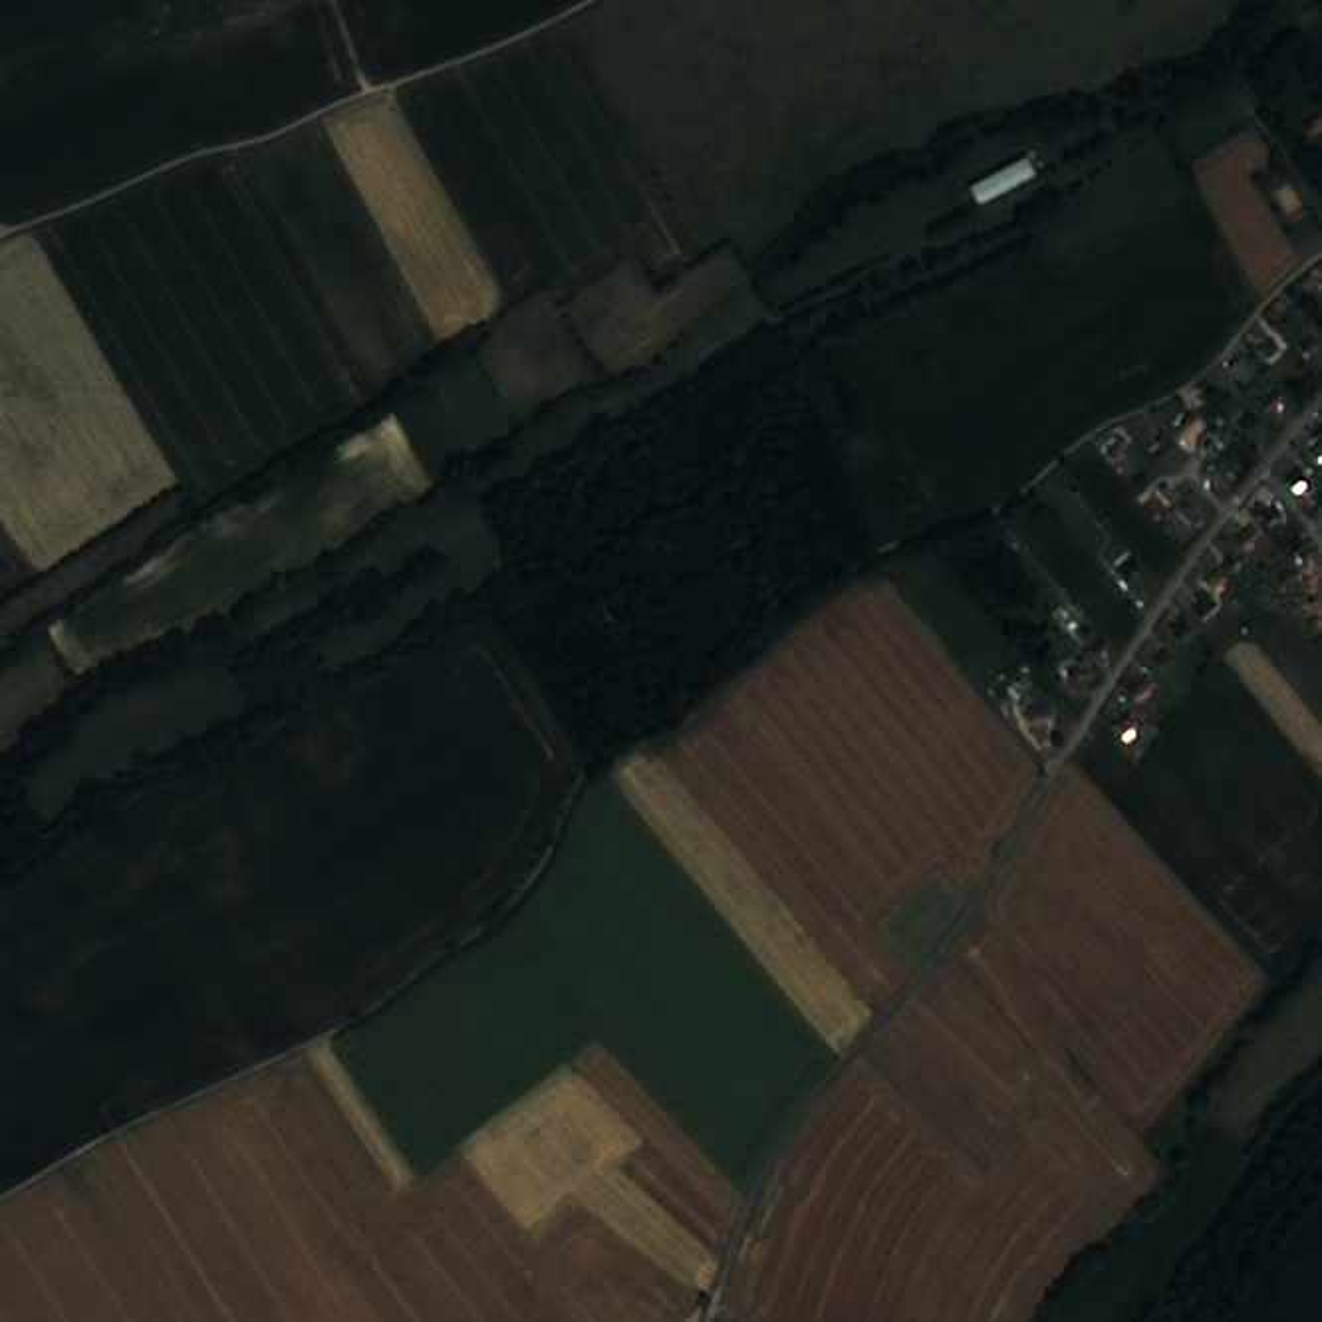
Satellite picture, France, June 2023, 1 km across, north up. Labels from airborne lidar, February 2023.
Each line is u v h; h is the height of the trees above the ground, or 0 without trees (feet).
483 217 0
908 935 0
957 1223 0
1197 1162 0
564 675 45
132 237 0
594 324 0
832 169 0
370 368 0
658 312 0
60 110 0
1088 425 0
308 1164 0
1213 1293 28
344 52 0
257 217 0
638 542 60
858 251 0
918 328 0
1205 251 0
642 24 0
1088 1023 0
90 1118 0
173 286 0
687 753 0
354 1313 0
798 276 0
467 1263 0
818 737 0
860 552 31
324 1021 0
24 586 18
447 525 0
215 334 0
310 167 0
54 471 0
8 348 0
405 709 0
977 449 0
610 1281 0
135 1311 0
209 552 0
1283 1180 45
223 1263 0
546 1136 0
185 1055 0
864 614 0
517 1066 0
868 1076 0
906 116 0
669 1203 0
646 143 0
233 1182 0
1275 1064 0
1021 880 0
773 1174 0
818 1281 0
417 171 0
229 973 0
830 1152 0
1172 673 0
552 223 0
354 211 0
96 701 50
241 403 0
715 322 0
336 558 33
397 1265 0
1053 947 0
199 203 0
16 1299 0
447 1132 0
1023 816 0
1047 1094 0
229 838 0
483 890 0
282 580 29
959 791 0
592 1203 0
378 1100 0
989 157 0
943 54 0
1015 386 0
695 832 0
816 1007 0
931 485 0
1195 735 0
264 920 0
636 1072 0
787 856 0
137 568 20
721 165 0
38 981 0
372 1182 0
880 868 0
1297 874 0
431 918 0
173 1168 0
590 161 0
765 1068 0
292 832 0
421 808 0
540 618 49
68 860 0
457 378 0
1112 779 0
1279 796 0
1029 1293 0
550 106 0
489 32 0
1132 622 0
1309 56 61
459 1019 0
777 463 50
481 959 0
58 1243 0
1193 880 0
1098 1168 0
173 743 0
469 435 0
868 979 0
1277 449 0
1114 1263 0
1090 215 0
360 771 0
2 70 0
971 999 0
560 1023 0
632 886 0
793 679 0
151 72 0
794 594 56
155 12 0
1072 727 0
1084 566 0
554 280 0
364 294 0
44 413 0
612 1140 0
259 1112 0
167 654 71
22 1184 0
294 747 0
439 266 0
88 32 0
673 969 0
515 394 0
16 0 0
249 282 0
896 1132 0
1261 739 0
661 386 0
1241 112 0
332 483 0
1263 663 0
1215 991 0
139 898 0
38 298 0
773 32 0
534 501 54
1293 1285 0
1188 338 0
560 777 0
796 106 0
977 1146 0
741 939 0
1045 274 0
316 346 0
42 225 0
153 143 0
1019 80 0
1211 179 0
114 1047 0
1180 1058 0
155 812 0
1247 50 52
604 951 0
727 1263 0
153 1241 0
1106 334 0
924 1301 0
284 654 27
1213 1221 0
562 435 0
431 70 0
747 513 54
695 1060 0
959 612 0
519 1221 0
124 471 0
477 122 0
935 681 0
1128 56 0
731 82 0
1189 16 0
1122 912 0
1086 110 74
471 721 0
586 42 0
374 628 0
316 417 0
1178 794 0
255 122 0
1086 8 0
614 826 0
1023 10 0
